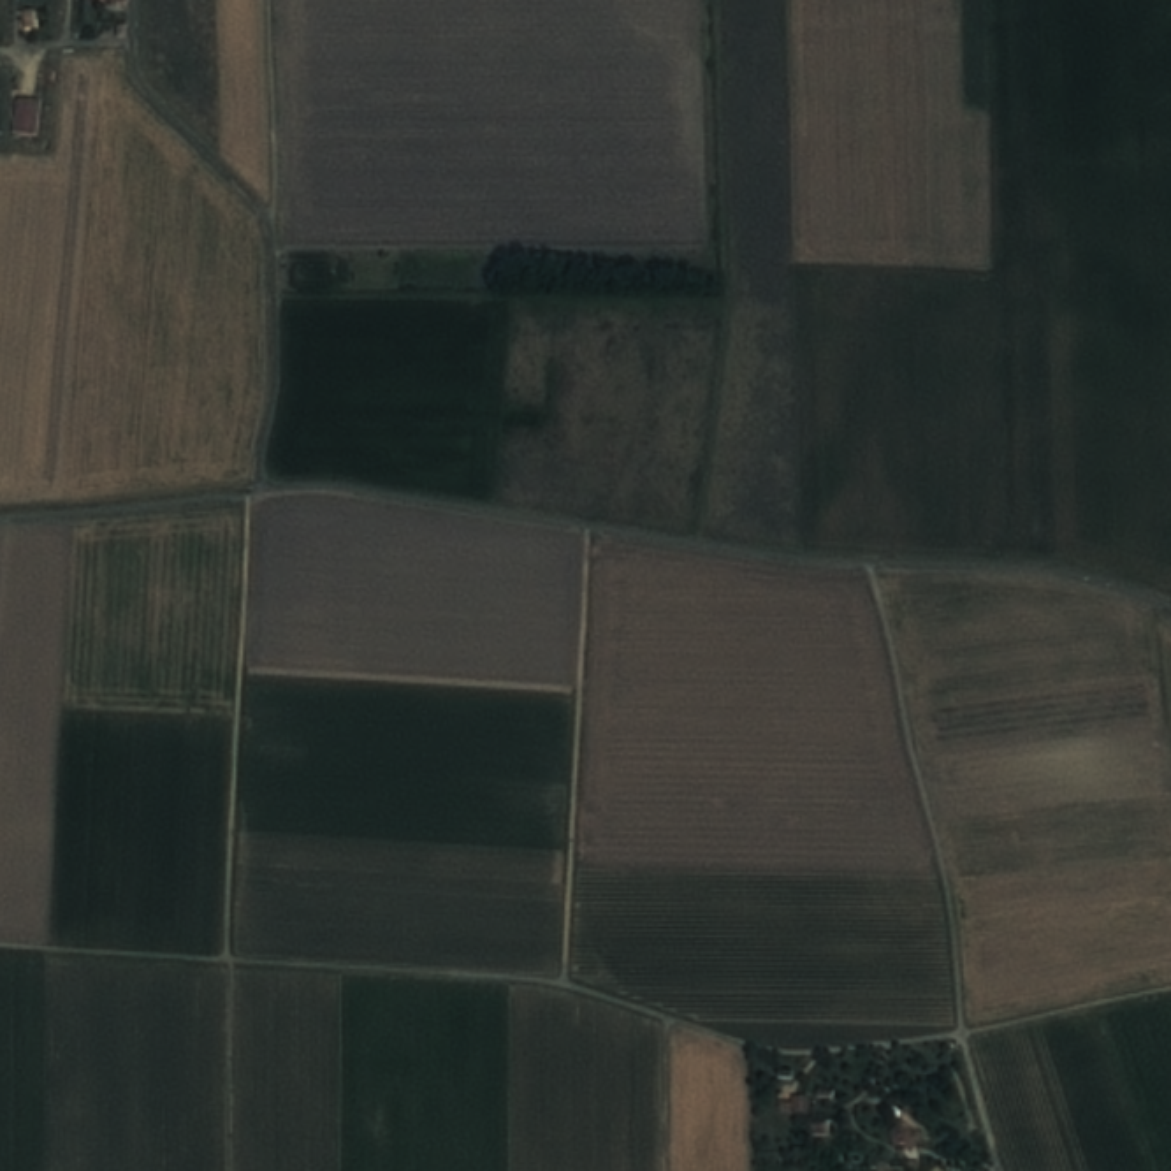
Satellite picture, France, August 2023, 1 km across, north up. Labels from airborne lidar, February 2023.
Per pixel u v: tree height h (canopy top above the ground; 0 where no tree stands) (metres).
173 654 0
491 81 0
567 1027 0
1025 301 0
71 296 0
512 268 25
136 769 0
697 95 0
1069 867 0
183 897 0
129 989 0
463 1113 0
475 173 0
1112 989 0
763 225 0
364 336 0
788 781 0
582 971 0
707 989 0
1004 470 0
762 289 0
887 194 0
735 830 0
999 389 0
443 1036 0
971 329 0
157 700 0
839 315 0
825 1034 0
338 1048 0
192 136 0
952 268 0
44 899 0
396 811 0
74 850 0
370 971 0
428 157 0
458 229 0
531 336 0
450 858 0
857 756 0
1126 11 0
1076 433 0
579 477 0
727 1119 0
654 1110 0
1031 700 0
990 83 0
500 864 0
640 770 0
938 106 0
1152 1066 0
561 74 0
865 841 0
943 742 0
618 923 0
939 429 0
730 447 0
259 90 0
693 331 0
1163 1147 0
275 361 0
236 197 0
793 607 0
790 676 0
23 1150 0
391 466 0
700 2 0
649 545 0
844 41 0
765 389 0
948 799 0
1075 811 0
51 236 0
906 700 0
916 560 0
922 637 0
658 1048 0
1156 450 0
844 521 0
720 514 0
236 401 0
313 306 0
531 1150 0
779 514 0
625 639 0
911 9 0
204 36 0
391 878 0
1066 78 0
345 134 0
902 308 0
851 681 0
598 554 0
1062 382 0
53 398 0
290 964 0
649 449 0
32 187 0
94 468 0
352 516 0
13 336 0
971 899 0
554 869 0
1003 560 0
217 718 0
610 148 0
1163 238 0
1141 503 0
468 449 0
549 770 0
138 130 0
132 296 0
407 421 0
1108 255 0
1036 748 0
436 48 0
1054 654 0
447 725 0
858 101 0
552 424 0
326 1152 0
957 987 0
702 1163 0
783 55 0
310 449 0
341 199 0
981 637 0
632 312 0
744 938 0
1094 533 0
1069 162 0
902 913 0
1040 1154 0
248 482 0
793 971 0
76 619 0
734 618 0
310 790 0
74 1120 0
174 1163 0
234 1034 0
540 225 0
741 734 0
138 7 0
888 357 0
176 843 0
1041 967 0
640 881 0
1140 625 0
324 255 0
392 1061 0
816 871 0
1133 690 0
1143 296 0
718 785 0
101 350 0
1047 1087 0
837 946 0
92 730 0
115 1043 0
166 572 0
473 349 0
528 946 0
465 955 0
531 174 0
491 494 0
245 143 0
